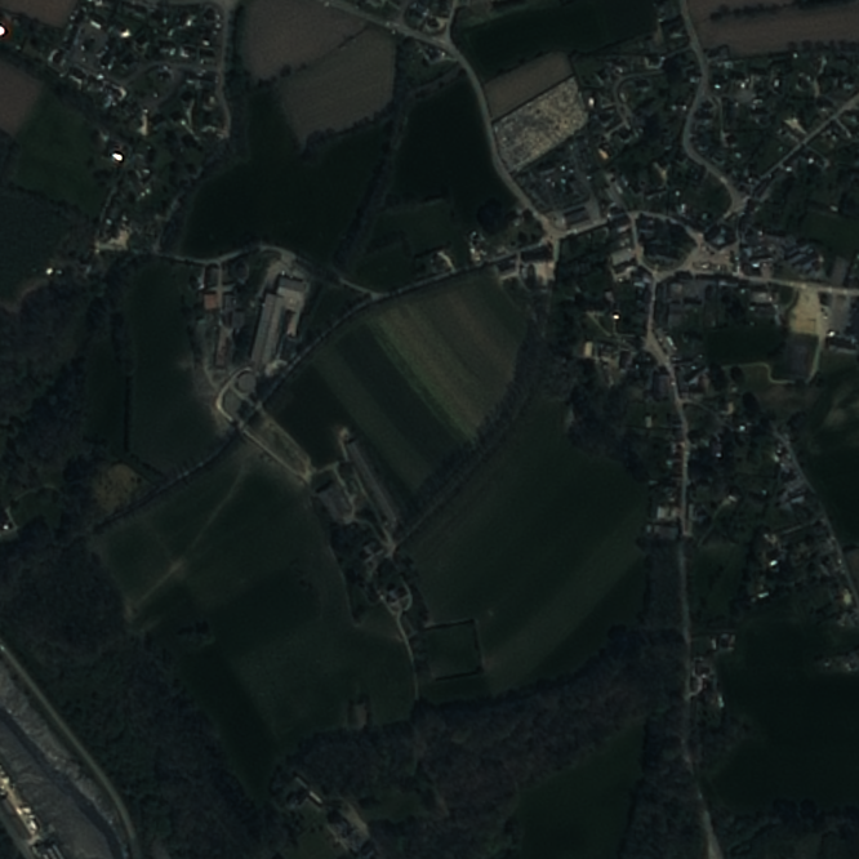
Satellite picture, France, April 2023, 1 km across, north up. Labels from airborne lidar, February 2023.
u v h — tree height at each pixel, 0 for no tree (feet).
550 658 0
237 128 49
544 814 0
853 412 0
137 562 0
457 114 0
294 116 0
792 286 0
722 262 0
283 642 0
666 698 108
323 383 0
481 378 0
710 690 43
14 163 39
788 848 0
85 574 63
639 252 0
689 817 89
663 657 72
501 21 0
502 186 0
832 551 0
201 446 0
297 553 0
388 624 0
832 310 0
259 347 0
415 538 64
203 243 0
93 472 61
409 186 0
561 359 48
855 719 0
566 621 0
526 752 96
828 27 0
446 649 0
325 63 0
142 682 58
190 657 0
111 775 22
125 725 25
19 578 59
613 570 0
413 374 0
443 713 37
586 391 52
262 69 0
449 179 0
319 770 65
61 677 22
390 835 74
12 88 0
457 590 0
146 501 70
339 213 0
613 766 0
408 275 0
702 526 44
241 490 0
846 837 83
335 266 45
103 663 33
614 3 0
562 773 0
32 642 34
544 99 0
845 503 0
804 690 0
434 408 0
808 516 45
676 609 64
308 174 0
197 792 89
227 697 0
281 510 0
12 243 27
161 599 0
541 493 0
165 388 0
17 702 0
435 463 0
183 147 54
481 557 0
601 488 0
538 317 71
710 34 0
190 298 0
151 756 28
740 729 33
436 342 0
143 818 58
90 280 22
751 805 0
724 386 45
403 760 99
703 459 33
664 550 75
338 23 0
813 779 0
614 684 75
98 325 74
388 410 0
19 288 25
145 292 0
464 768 89
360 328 0
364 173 0
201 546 0
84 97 49
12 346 86
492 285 0
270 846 68
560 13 0
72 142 0
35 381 84
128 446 26
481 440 61
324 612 0
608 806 0
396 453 0
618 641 79
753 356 0
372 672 0
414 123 0
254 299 0
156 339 0
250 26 0
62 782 0
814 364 0
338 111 0
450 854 86
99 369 0
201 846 69
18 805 0
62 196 0
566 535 0
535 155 0
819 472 0
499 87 0
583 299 35
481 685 0
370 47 0
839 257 0
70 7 0
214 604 0
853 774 0
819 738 0
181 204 54
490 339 0
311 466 0
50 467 65
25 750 0
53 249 24
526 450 0
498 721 90
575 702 75
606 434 72
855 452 0
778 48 0
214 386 0
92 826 0
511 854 31
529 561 0
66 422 84
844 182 48
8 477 46
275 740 0
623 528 0
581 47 0
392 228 0
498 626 0
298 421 0
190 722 92
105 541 0
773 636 0
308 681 0
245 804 73
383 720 0
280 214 0
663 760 71
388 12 0
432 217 0
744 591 26
